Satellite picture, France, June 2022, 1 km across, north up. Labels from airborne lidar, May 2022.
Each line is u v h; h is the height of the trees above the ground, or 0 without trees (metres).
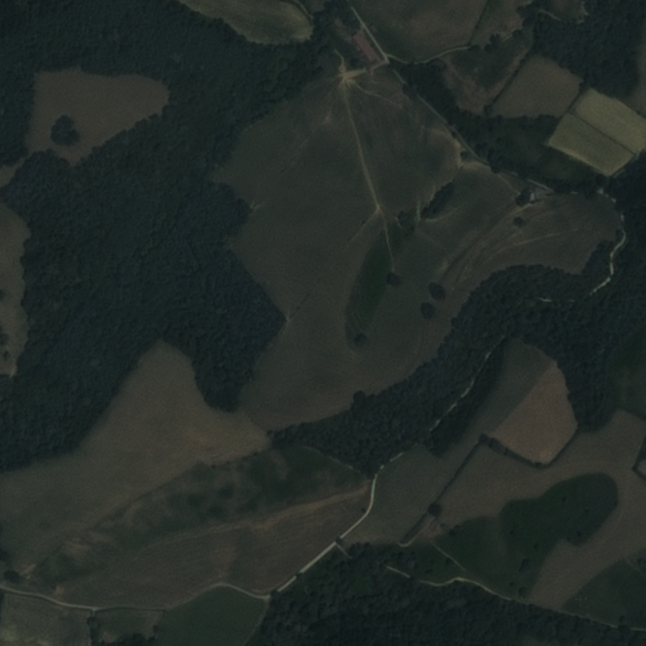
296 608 15
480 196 0
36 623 0
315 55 11
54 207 12
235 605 0
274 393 0
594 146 0
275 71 25
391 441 6
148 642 7
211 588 0
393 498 0
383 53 0
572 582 0
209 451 0
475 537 0
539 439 0
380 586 10
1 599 8
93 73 10
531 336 18
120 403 0
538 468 10
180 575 0
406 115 0
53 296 18
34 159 13
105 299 21
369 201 0
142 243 20
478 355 27
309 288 0
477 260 0
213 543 0
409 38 0
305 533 0
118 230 18
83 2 17
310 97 0
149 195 21
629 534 0
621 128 0
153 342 7
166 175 7
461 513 0
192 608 0
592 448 0
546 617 8
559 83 0
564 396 0
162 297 10
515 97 0
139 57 11
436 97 10
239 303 23
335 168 0
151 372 0
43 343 20
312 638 22
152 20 13
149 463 0
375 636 12
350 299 0
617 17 24
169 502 0
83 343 19
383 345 0
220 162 21
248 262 0
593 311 9
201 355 9
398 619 20
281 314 15
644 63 0
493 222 0
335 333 0
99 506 0
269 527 0
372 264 0
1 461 5
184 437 0
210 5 0
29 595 0
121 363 9
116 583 0
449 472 0
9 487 0
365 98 0
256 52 13
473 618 14
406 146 0
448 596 8
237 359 21
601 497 0
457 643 16
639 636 20
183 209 21
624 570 0
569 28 16
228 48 19
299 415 0
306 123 0
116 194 16
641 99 0
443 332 0
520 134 0
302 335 0
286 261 0
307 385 0
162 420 0
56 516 0
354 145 0
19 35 10
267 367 0
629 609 0
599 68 22
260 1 0
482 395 9
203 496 0
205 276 14
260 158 0
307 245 0
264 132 0
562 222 0
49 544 0
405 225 20
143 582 0
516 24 0
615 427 0
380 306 0
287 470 0
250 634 0
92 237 18
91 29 10
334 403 0
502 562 0
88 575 0
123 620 0
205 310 22
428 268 0
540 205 0
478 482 0
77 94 0
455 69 0
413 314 0
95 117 0
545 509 0
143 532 0
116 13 16
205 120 8
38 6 14
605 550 0
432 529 0
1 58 17
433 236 0
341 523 0
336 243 0
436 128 0
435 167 0
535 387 0
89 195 14
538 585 0
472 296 16
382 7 0
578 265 0
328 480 0
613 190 23
